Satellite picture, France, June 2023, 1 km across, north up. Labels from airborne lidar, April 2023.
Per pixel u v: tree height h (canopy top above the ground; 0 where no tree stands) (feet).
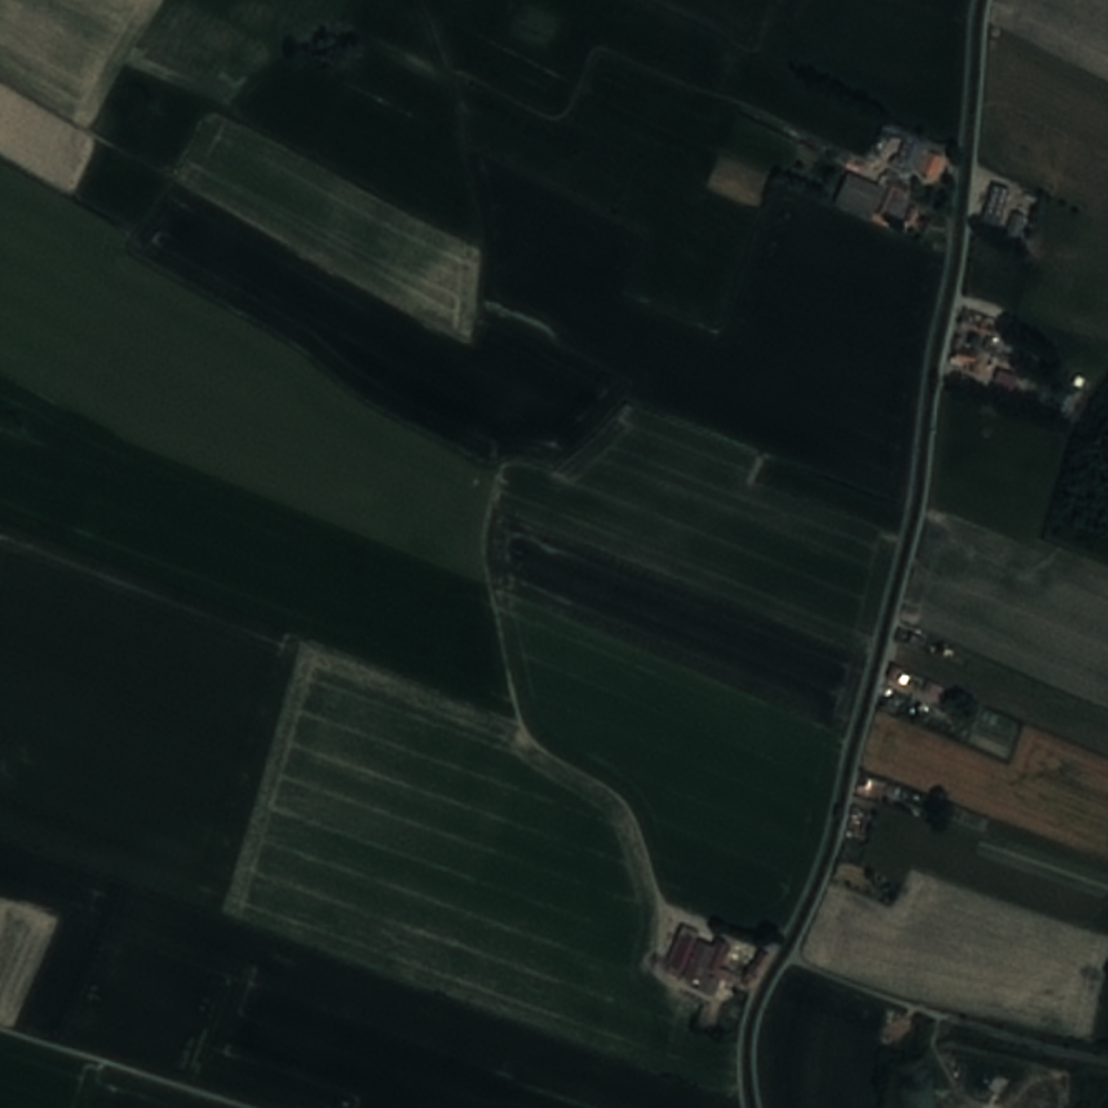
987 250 0
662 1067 0
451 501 0
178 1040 0
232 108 0
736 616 0
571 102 0
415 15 0
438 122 0
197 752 0
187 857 0
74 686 0
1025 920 0
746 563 0
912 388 0
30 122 0
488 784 0
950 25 0
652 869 0
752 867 0
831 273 0
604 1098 0
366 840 0
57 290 0
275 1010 0
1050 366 65
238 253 0
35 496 0
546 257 0
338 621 0
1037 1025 0
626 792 0
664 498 0
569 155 0
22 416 0
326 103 0
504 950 0
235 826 0
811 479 0
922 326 0
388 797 0
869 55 0
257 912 0
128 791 0
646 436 0
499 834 0
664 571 0
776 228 0
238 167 0
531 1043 0
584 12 0
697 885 0
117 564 0
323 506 0
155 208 0
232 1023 0
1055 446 0
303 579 0
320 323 0
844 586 0
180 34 0
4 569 0
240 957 0
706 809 0
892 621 0
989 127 0
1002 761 0
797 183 45
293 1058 0
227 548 0
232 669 0
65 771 0
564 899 0
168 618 0
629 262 0
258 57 0
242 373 0
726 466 0
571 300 0
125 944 0
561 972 0
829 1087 0
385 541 0
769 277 0
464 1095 0
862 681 0
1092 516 27
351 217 0
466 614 0
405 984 0
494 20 0
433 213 0
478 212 0
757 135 0
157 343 0
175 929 0
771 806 0
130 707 0
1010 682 0
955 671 0
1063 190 0
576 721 0
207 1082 0
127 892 0
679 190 0
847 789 0
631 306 0
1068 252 0
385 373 0
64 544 0
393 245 0
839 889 0
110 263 0
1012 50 0
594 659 0
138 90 0
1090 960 0
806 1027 0
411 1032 0
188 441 0
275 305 0
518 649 0
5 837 0
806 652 0
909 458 0
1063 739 0
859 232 0
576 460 0
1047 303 0
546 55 0
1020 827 0
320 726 0
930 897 0
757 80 0
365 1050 0
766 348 0
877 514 0
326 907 0
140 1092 0
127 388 0
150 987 0
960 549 0
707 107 0
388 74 0
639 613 0
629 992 0
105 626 0
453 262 0
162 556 0
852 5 0
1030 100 0
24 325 0
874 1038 0
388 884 0
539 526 0
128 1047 0
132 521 0
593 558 0
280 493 0
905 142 0
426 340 0
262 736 0
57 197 0
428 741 0
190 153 0
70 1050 0
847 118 0
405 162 0
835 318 0
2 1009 0
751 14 0
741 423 0
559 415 0
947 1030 0
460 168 0
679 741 0
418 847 0
